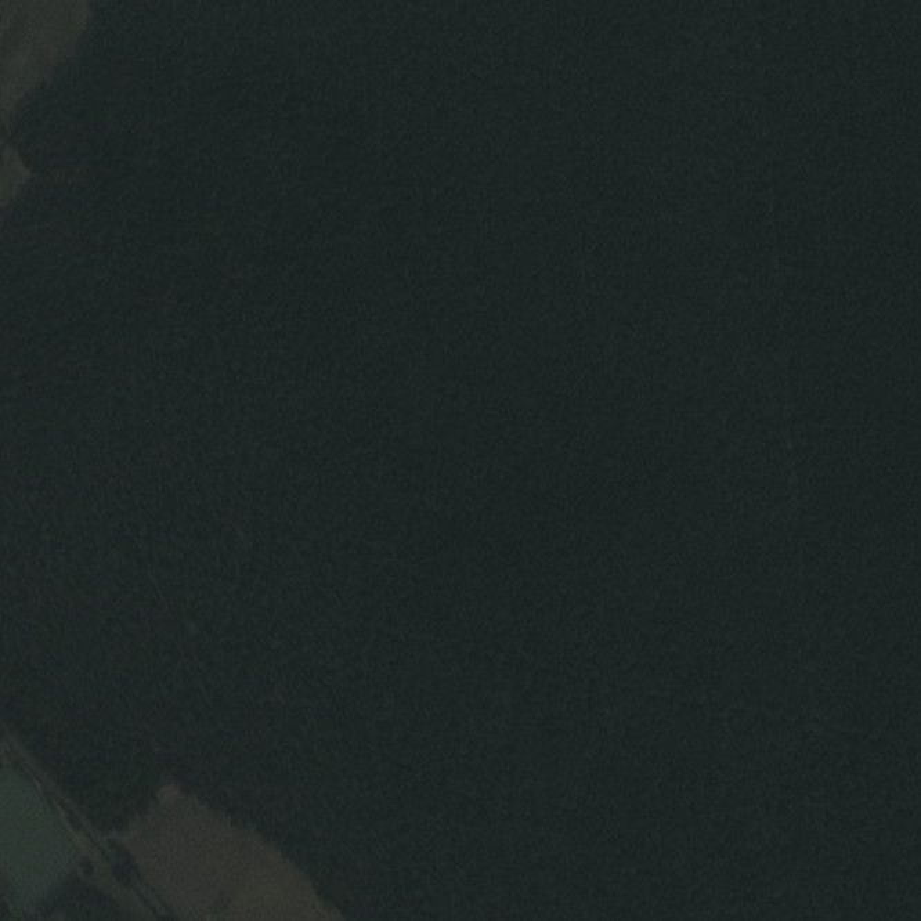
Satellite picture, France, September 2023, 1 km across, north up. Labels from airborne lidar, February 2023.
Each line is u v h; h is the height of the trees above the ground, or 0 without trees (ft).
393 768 114
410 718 113
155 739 101
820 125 97
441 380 115
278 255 81
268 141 84
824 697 104
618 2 110
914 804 113
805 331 100
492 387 115
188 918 0
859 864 101
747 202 107
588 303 114
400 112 109
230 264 64
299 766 96
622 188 104
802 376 98
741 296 109
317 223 87
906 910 117
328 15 115
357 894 92
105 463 108
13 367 71
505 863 124
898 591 104
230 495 112
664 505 109
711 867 114
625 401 120
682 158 114
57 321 68
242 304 94
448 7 119
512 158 113
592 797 117
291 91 90
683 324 116
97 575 112
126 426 116
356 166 76
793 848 123
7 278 79
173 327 61
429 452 118
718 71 112
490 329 121
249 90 80
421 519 108
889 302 97
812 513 108
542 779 118
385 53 101
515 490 111
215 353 99
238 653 117
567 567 119
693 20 106
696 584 117
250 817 77
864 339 102
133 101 86
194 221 71
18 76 0
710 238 108
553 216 107
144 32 80
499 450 118
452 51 111
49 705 45
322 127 64
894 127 100
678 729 116
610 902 116
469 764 118
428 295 113
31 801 0
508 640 114
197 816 0
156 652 116
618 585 112
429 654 112
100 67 78
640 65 102
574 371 115
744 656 112
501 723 110
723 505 119
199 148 81
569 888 119
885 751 117
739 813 118
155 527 117
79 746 70
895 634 107
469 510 112
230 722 110
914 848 119
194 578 30
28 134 54
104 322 63
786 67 112
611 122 121
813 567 105
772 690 95
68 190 73
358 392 114
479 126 108
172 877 0
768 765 107
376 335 115
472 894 116
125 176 73
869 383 109
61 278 57
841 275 100
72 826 37
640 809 120
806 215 102
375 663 109
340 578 124
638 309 119
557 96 107
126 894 0
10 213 36
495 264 112
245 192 70
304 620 117
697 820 114
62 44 0
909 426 104
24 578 105
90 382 104
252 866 0
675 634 102
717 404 109
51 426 112
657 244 112
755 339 109
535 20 110
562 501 115
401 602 116
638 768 120
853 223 100
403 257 111
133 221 75
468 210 107
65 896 79
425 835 109
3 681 49
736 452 104
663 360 115
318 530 113
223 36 92
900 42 100
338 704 110
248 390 94
